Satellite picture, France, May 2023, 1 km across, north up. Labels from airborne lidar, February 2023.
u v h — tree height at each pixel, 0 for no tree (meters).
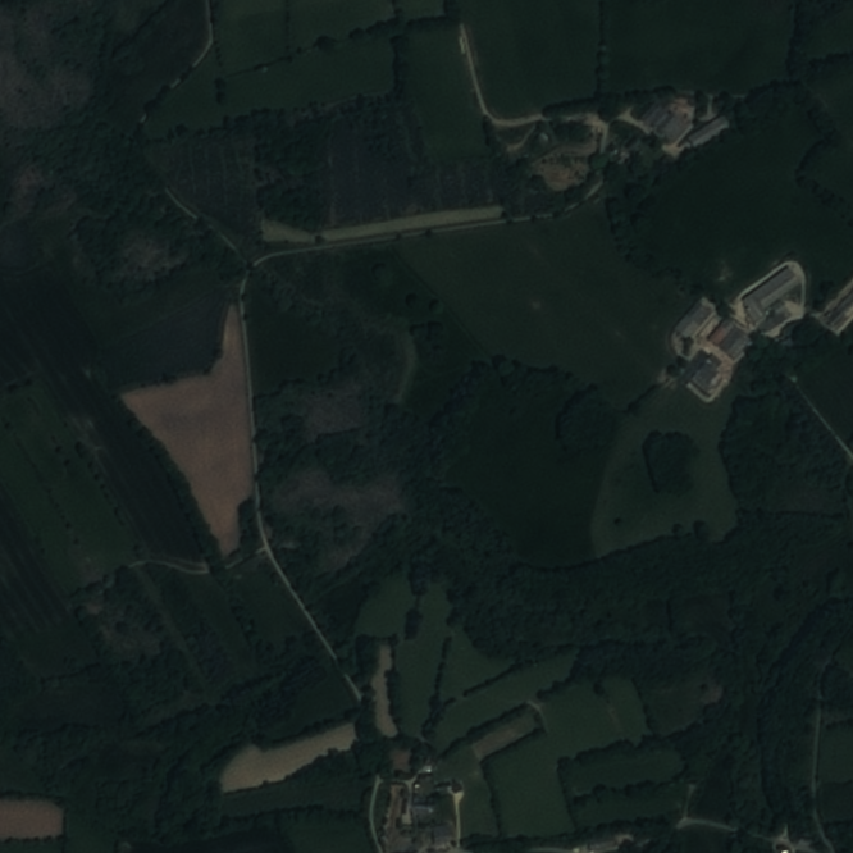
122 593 13
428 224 0
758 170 0
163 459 15
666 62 0
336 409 0
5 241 0
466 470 0
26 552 0
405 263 0
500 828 8
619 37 0
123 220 18
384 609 0
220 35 0
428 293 0
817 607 0
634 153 7
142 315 0
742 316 0
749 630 21
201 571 0
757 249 0
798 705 19
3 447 0
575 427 21
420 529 6
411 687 0
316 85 0
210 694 0
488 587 12
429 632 0
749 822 10
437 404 0
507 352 0
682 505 0
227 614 0
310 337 0
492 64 0
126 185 12
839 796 0
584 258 0
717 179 0
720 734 18
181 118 0
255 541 9
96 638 13
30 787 0
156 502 0
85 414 0
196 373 0
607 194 0
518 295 0
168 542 0
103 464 0
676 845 17
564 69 0
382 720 0
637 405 8
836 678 11
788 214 0
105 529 0
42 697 0
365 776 10
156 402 0
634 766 0
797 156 0
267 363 0
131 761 0
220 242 16
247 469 0
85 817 10
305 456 7
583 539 0
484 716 0
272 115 10
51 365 0
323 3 0
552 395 0
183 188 0
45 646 0
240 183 0
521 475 0
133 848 0
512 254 0
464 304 0
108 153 16
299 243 0
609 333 0
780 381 21
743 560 18
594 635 13
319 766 14
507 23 0
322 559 9
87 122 7
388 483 0
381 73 0
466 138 0
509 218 12
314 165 14
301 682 21
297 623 0
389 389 0
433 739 13
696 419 0
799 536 11
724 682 15
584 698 0
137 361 0
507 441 0
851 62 15
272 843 0
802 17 15
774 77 0
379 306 0
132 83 0
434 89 0
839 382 0
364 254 0
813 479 7
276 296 9
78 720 0
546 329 0
